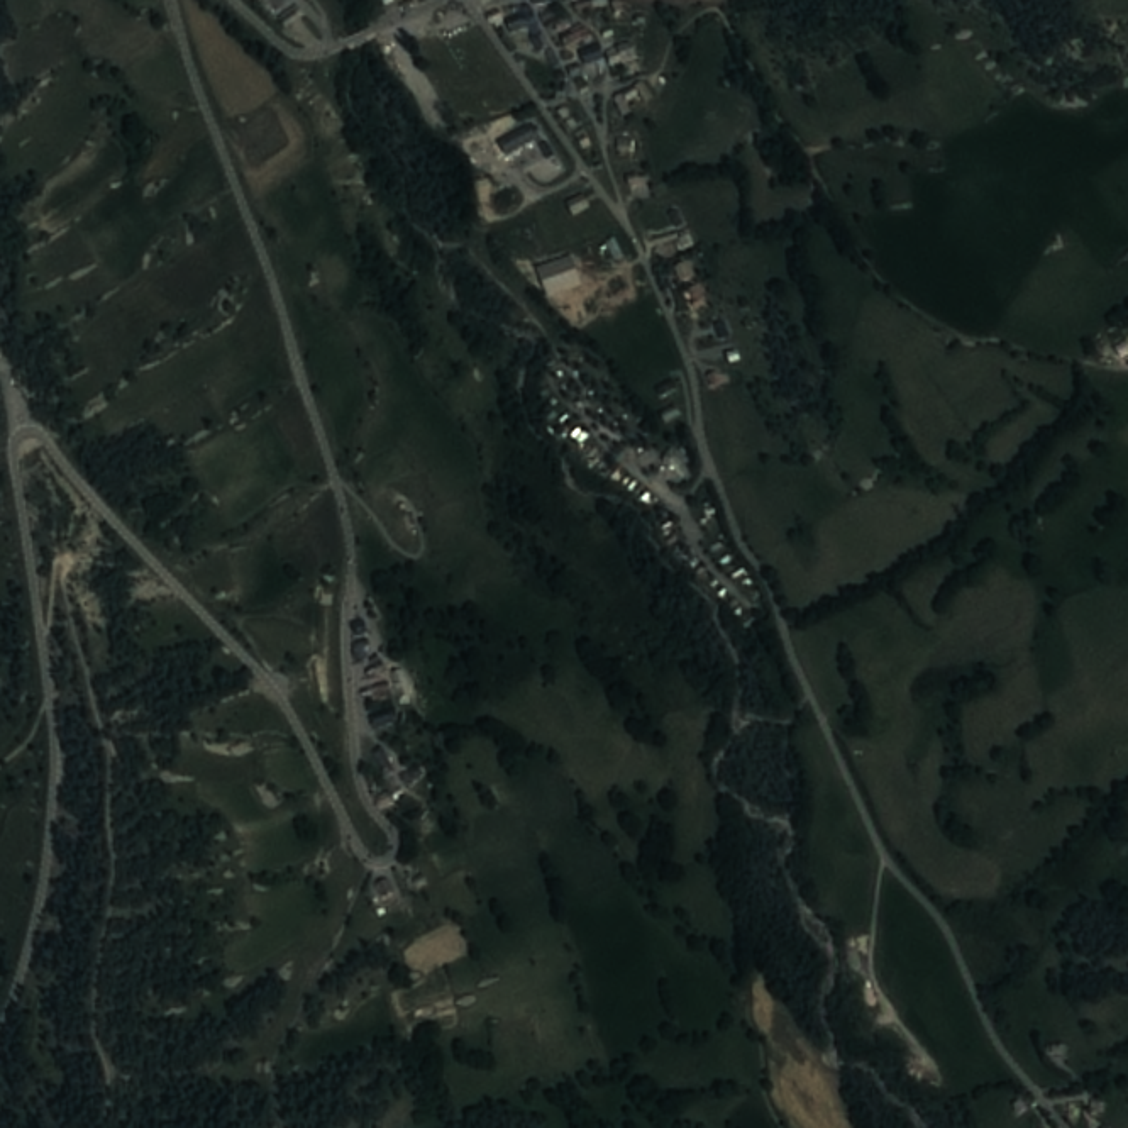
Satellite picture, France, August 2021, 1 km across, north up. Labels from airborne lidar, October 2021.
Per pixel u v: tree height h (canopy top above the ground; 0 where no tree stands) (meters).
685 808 0
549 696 0
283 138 0
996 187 0
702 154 0
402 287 14
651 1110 16
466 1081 0
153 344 6
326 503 0
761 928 7
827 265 0
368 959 13
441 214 18
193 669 12
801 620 14
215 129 0
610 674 14
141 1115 11
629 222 0
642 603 0
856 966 0
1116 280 0
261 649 0
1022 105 0
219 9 10
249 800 0
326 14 0
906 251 0
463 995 0
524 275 0
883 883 0
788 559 0
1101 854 0
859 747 0
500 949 0
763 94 11
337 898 0
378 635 0
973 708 0
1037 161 0
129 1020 24
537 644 0
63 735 10
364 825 0
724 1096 13
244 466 0
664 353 0
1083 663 0
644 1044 10
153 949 13
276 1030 0
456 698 10
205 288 0
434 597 0
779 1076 0
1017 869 0
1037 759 0
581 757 0
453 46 0
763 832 8
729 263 0
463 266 6
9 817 0
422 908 0
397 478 0
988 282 0
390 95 13
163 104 0
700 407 0
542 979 0
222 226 0
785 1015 0
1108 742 0
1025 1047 0
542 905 0
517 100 0
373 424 0
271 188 0
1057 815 0
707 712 0
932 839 0
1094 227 0
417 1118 11
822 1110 0
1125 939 15
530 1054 0
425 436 0
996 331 0
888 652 0
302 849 0
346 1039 0
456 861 0
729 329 0
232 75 0
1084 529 0
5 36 7
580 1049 0
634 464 0
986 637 0
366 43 7
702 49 0
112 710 9
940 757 0
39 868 0
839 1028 7
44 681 0
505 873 0
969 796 0
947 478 9
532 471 0
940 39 0
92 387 0
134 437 9
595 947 0
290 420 0
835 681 0
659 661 10
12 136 0
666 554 10
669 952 0
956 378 0
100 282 0
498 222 0
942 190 0
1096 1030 14
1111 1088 13
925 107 0
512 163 0
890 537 0
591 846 0
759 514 0
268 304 0
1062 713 0
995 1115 0
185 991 11
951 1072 0
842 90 0
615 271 0
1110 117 0
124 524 0
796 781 11
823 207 16
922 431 0
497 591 0
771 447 0
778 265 0
